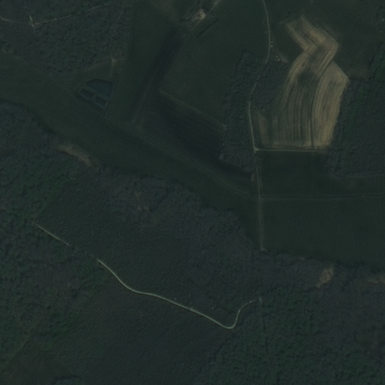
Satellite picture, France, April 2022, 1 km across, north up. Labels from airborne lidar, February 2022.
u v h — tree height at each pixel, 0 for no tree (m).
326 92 0
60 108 0
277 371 19
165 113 0
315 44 0
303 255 0
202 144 0
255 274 23
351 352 32
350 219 0
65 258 28
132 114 0
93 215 15
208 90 0
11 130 36
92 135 0
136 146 0
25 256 22
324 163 0
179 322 20
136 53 0
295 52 0
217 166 0
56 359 7
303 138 0
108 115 0
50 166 28
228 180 0
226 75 0
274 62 9
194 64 0
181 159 0
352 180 0
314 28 0
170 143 0
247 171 19
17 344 33
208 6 0
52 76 18
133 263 13
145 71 0
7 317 32
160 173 0
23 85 0
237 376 25
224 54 0
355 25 0
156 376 18
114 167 0
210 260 23
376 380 28
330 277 0
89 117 0
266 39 0
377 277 21
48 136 33
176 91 0
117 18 28
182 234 25
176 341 14
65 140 6
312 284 6
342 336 25
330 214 0
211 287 21
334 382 29
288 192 0
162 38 0
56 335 13
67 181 23
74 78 0
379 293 8
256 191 0
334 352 27
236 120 6
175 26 0
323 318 24
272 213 0
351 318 27
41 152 20
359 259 0
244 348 24
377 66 17
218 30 0
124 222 22
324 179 0
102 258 11
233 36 0
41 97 0
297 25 0
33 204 28
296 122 0
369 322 23
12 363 11
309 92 0
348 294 33
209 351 12
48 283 32
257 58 11
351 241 0
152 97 0
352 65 0
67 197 14
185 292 19
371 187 0
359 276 32
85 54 27
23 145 22
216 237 25
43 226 13
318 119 0
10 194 29
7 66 0
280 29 0
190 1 0
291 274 27
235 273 21
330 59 0
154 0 0
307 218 0
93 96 0
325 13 0
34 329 18
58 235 14
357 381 27
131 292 9
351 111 25
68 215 13
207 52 0
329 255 0
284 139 0
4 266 34
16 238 33
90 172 17
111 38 27
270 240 0
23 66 0
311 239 0
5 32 12
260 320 23
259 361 22
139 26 0
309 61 0
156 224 18
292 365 25
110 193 18
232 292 29
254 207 0
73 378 20
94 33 31
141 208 0
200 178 0
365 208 0
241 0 0
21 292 30
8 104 26
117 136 0
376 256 0
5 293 34
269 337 23
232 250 24
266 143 0
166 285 14
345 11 0
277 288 24
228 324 10
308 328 27
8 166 28
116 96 0
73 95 0
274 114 0
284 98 0
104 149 0
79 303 32
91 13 22
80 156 0
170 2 0
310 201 0
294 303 26
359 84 25
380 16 7
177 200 34
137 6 0
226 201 0
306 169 0
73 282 33
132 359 15
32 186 30
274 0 0
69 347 10
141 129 0
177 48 0
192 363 11
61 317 29
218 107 0
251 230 0
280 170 0
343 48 0
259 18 0
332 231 0
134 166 0
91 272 19
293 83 0
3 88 0
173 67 0
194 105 0
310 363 29
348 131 22
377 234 0
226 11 0
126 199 7
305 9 0
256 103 7
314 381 27
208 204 0
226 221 27
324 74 0
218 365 26
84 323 12
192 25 0
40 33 26
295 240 0
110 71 0
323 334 19
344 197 0
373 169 13
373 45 0
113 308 11
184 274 20
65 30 29
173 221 23
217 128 0
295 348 25
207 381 26
